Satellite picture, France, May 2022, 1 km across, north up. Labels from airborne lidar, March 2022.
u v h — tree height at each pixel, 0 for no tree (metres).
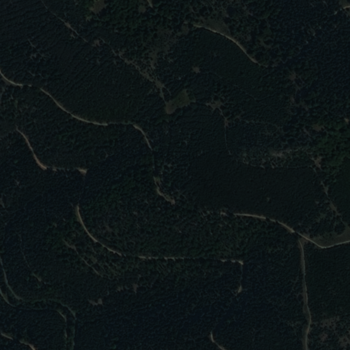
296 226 16
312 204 14
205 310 7
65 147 15
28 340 11
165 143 20
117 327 30
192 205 8
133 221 29
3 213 25
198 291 7
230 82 10
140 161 27
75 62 18
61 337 17
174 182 11
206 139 10
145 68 7
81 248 28
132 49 12
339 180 13
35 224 20
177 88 16
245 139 10
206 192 13
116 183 24
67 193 20
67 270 14
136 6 35
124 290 21
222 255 13
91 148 22
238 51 11
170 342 17
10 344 12
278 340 16
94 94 11
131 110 11
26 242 16
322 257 9
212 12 18
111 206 29
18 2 15
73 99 16
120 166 22
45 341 21
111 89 10
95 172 23
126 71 10
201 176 13
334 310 6
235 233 26
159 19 32
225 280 25
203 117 12
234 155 10
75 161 18
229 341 21
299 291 9
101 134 13
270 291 22
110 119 13
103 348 13
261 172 12
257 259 25
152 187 31
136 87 11
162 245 26
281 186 11
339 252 10
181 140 18
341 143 30
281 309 7
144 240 21
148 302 24
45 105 15
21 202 26
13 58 20
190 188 10
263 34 30
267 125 8
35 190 23
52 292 24
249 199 14
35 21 14
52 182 24
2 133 16
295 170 12
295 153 8
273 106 10
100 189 29
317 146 21
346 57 29
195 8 30
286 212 12
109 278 7
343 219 8
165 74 12
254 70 10
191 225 29
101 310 28
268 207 13
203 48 12
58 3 15
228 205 13
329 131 30
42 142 13
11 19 13
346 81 29
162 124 22
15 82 13
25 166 23
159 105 19
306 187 12
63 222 27
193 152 10
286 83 10
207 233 23
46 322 9
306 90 19
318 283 7
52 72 22
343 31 28
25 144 25
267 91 9
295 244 15
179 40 6
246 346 19
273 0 28
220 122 11
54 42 15
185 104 0
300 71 27
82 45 10
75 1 20
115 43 16
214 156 11
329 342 8
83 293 16
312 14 24
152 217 29
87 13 24
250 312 28
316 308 10
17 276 21
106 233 32
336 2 7
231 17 27
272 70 15
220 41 14
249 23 27
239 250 21
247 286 24
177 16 30
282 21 28
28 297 24
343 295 7
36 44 15
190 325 30
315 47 29
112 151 19
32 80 13
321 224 10
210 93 15
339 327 8
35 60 21
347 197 11
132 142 25
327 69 29
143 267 8
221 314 20
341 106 27
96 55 16
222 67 15
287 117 13
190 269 11
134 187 15
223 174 11
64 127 7
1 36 15
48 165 18
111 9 27
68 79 18
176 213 27
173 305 27
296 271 9
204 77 14
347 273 9
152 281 14
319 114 28
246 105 10
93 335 10
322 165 15
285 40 24
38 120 13
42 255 21
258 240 9
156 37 12
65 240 26
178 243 25
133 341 29
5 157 27
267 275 23
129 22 27
